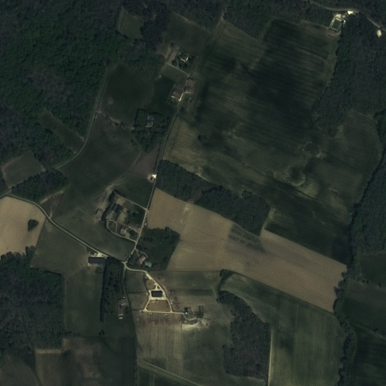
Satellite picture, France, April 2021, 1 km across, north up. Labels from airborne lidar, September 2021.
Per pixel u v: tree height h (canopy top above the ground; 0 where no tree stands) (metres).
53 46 16
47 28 26
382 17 19
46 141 26
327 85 0
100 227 0
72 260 0
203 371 0
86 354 0
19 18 15
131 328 0
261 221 16
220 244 0
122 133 0
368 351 0
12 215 0
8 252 0
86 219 0
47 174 16
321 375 0
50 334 18
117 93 0
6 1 19
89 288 0
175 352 0
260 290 0
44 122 0
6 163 17
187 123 0
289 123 0
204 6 16
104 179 0
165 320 0
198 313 0
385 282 0
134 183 0
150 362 0
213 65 0
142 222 0
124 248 0
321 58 0
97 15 7
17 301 19
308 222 0
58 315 21
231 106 0
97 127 0
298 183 0
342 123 12
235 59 0
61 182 19
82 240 0
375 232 13
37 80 8
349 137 0
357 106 18
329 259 0
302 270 0
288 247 0
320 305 0
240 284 0
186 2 11
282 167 0
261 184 0
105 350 0
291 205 0
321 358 0
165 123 12
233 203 17
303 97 0
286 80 0
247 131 0
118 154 0
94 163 0
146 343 0
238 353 12
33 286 17
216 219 0
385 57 18
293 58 0
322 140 0
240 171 0
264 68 0
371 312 0
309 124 0
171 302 0
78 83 16
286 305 0
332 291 0
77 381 0
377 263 0
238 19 15
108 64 20
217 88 0
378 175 17
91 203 0
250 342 13
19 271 16
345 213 0
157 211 0
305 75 0
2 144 12
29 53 21
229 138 0
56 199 0
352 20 19
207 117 0
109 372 0
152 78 20
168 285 0
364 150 0
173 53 0
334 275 0
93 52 25
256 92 0
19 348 10
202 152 0
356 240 22
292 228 0
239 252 0
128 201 0
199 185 11
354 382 0
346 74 15
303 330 0
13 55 20
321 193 0
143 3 22
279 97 0
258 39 9
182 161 0
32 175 0
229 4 17
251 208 14
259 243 0
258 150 0
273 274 0
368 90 19
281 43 0
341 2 19
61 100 16
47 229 0
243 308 17
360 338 0
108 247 0
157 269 10
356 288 0
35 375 0
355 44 14
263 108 0
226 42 0
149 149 13
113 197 11
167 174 15
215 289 0
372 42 16
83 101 19
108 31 21
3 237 0
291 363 0
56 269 0
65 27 23
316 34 0
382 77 21
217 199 19
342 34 6
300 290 0
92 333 0
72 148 0
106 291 8
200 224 0
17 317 16
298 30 0
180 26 0
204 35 0
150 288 0
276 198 0
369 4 13
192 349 0
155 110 0
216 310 0
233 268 0
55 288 14
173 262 0
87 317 0
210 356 0
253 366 12
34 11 20
